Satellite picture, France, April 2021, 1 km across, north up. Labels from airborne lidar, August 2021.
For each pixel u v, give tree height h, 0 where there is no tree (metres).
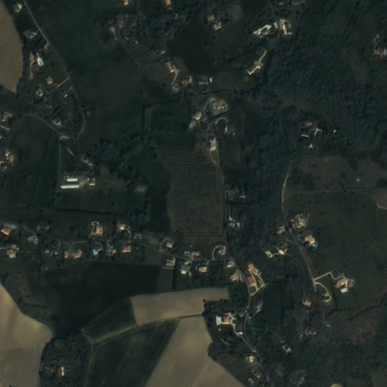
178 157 5
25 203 9
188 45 0
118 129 0
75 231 18
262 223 15
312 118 7
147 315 0
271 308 0
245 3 0
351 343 11
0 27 0
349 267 0
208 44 9
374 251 0
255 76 8
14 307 0
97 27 7
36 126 0
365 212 0
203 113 8
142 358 0
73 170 6
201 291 0
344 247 0
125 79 0
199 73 0
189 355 0
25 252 12
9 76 0
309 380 19
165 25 8
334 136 11
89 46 0
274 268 11
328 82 6
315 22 5
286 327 14
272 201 17
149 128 12
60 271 0
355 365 18
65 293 0
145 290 0
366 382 18
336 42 7
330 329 15
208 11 14
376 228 0
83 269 0
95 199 7
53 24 0
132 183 10
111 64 0
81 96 0
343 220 0
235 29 0
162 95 0
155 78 0
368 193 0
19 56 0
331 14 15
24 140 0
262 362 13
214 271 9
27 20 0
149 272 0
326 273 0
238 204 7
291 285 20
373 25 0
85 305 0
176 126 0
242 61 9
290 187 7
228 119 0
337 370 14
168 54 0
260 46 12
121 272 0
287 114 10
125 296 0
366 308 0
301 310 18
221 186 0
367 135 17
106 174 0
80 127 14
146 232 18
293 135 18
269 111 16
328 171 0
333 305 0
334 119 19
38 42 7
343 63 9
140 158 0
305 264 17
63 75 0
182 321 0
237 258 13
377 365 8
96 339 0
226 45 0
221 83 0
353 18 7
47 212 0
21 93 13
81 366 8
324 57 6
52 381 6
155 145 11
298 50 13
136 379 0
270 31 9
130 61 0
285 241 12
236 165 0
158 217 0
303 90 20
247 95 19
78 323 0
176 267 10
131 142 6
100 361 0
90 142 0
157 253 0
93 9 0
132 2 0
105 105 0
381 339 16
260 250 9
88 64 0
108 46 0
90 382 0
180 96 14
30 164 0
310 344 17
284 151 14
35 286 0
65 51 0
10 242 8
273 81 15
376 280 0
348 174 0
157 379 0
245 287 0
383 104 6
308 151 9
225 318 0
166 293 0
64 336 0
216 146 0
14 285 23
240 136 0
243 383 0
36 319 18
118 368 0
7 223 11
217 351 19
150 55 8
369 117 20
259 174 10
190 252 0
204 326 0
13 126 21
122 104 0
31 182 0
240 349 17
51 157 0
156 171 0
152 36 8
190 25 0
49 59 6
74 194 0
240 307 8
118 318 0
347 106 9
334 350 11
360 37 0
